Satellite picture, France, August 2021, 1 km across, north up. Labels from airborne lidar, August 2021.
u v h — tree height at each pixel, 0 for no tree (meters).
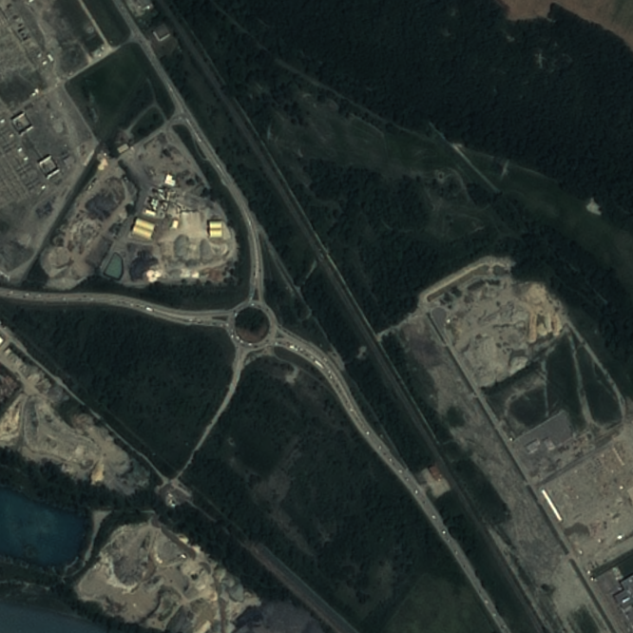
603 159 27
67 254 0
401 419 8
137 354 11
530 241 16
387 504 8
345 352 14
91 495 23
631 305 13
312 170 7
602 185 20
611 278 14
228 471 10
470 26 12
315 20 17
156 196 0
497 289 0
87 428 0
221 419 10
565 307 0
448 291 0
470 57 10
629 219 17
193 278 0
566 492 0
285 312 8
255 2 18
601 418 0
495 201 15
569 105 12
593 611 0
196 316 0
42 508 0
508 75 12
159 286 16
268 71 12
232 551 15
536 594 0
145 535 0
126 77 0
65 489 15
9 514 0
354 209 13
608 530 0
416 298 14
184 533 22
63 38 0
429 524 7
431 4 12
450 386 0
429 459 7
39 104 0
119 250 0
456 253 6
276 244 13
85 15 0
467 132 18
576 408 0
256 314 8
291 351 0
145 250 0
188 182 8
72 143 0
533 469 0
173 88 0
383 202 11
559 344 0
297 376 0
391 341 8
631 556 0
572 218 0
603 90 23
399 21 9
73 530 0
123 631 23
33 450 0
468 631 0
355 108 12
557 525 0
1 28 0
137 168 0
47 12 0
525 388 0
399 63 14
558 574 0
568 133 20
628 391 0
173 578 0
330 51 17
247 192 11
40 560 0
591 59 16
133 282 0
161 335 5
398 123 19
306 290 11
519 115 20
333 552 6
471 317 0
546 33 14
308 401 0
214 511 8
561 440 0
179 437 7
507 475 0
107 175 0
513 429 0
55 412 0
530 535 0
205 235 0
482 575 11
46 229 0
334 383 0
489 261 0
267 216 16
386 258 13
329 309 12
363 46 15
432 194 0
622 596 0
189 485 8
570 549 0
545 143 21
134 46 0
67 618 0
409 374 9
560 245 21
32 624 0
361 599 8
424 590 0
